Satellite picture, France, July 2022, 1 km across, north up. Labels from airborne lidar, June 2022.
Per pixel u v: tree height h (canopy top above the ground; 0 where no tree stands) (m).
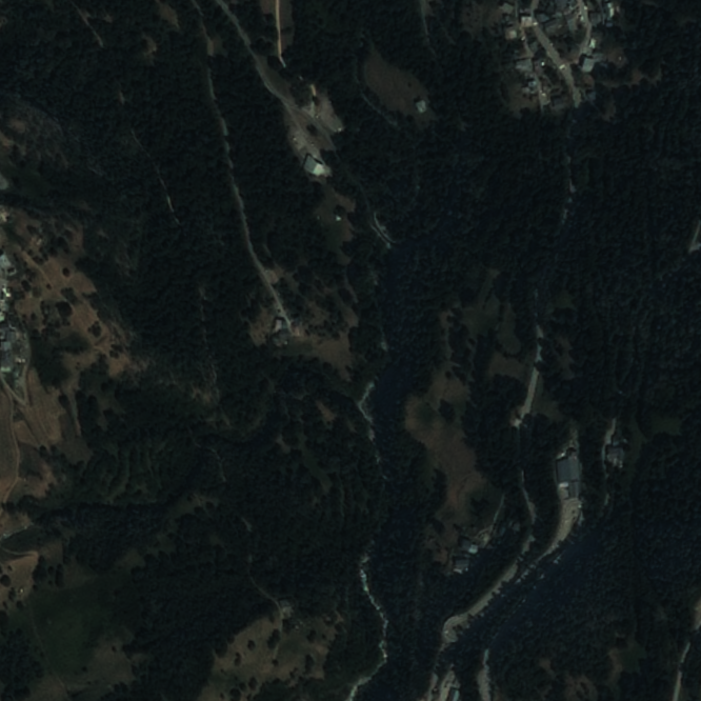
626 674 0
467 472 0
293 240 21
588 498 22
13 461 0
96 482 20
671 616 7
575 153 29
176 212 15
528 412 0
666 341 14
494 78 20
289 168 21
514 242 20
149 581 17
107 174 20
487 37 17
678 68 21
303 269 12
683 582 36
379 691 10
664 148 7
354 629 31
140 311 30
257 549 17
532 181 24
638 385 22
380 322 33
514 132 24
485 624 19
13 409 0
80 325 0
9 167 0
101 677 0
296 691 11
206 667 22
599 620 8
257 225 25
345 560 22
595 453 20
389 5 26
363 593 36
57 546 0
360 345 19
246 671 0
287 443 14
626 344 28
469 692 13
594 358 22
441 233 11
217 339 23
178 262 23
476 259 16
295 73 23
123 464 16
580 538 18
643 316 26
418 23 27
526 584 17
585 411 20
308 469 22
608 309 23
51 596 0
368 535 33
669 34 22
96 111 29
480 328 0
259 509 17
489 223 34
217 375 16
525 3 13
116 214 17
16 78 26
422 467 20
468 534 0
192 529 20
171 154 13
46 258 13
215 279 23
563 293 13
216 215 27
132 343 14
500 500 0
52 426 0
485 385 14
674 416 20
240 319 7
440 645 10
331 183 17
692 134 28
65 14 21
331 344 0
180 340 27
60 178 21
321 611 7
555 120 7
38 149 15
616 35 18
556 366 23
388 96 0
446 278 21
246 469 21
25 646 15
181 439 28
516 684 15
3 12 11
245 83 26
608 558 21
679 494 25
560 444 15
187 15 28
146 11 21
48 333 8
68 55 12
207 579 18
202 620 17
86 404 20
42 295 0
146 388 19
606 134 25
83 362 0
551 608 20
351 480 27
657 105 13
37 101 19
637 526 16
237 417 11
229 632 19
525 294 21
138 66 32
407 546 26
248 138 22
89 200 17
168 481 20
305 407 21
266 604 7
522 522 20
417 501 14
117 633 0
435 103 19
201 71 21
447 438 0
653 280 14
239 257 24
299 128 0
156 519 18
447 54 23
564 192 19
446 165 8
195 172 28
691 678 17
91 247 22
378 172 18
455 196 29
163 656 17
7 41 12
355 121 19
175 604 23
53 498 29
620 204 14
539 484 23
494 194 20
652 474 15
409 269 32
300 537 25
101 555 21
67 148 17
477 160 25
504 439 24
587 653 20
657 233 18
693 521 27
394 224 18
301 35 18
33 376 0
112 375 0
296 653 0
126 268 15
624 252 19
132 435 23
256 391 19
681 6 26
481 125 27
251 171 20
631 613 21
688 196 26
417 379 28
